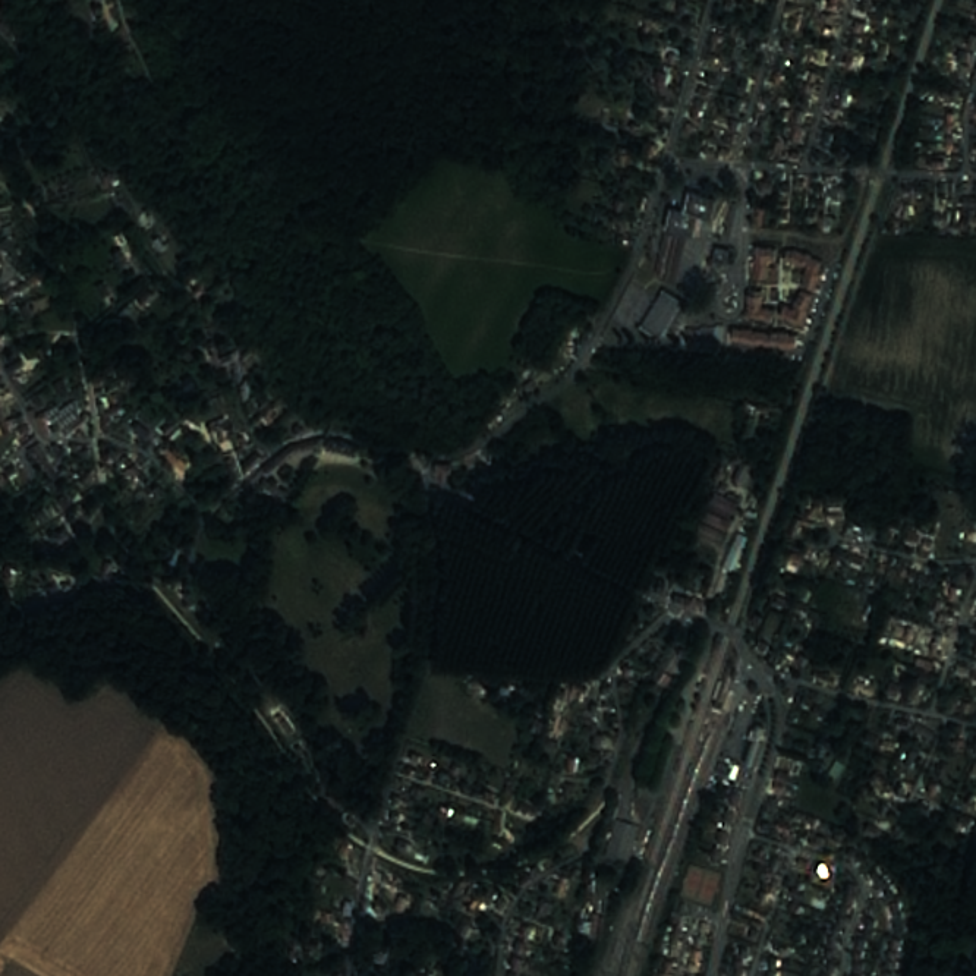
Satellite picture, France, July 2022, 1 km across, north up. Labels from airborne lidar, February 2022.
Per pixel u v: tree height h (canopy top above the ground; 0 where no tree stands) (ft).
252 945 28
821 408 70
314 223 64
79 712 0
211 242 70
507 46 88
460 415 69
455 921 21
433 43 72
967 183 0
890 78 52
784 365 47
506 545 106
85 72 74
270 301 45
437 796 0
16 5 59
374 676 0
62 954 0
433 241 0
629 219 26
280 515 81
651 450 103
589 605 103
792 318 0
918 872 60
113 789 0
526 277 0
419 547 73
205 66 64
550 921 22
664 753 38
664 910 0
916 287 0
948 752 21
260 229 60
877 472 88
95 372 53
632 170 21
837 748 79
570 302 55
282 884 39
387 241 0
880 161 58
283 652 66
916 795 0
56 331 0
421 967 30
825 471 83
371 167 64
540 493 92
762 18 38
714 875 0
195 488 33
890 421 68
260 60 82
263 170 80
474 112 66
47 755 0
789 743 26
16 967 0
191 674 91
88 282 21
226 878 51
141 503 26
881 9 26
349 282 56
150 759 0
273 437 53
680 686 41
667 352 36
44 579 33
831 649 38
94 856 0
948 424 0
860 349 0
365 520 0
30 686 0
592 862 27
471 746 0
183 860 0
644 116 65
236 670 69
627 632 33
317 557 0
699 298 101
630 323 0
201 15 73
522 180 53
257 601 64
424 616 58
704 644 46
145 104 70
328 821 70
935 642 0
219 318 55
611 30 36
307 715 61
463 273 0
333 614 0
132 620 63
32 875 0
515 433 34
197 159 62
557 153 27
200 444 52
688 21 49
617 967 0
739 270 0
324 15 92
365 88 69
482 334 0
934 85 26
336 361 62
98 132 65
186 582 63
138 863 0
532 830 35
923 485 46
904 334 0
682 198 0
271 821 70
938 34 23
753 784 0
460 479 41
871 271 0
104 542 69
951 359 0
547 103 69
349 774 82
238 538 34
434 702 0
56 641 70
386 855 0
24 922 0
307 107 77
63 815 0
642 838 0
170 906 0
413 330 63
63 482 36
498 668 86
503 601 97
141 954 0
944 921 47
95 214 0
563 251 0
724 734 0
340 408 60
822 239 0
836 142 30
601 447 79
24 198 24
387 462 36
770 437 49
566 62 67
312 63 79
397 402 56
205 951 0
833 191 0
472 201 0
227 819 96
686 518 103
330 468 0
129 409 23
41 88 57
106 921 0
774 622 0
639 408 0
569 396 0
